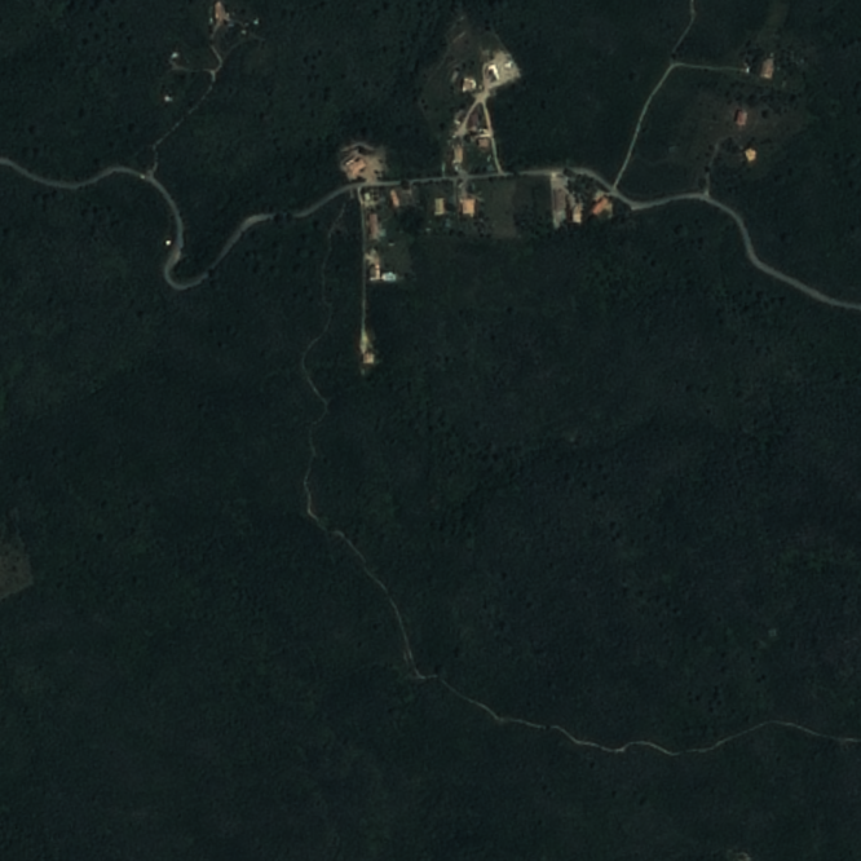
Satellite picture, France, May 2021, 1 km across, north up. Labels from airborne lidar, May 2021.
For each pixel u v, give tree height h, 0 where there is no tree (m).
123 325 7
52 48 9
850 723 6
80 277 6
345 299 6
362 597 7
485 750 5
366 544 6
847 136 5
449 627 7
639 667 6
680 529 7
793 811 6
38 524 6
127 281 6
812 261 5
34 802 7
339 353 10
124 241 6
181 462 6
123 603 13
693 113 0
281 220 17
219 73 6
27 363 7
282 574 7
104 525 7
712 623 8
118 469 7
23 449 6
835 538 6
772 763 6
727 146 7
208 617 9
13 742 8
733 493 9
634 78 15
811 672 8
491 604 9
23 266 6
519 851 7
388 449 6
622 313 6
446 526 12
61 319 6
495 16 6
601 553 8
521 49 5
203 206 7
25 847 11
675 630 6
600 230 6
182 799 6
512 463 15
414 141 6
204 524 6
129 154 6
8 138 6
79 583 7
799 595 7
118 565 6
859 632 8
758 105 9
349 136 9
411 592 7
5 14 8
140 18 7
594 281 7
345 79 12
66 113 6
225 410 6
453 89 6
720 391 6
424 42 18
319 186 6
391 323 7
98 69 7
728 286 9
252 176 10
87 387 8
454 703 5
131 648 9
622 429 8
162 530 7
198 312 6
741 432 14
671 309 10
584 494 7
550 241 8
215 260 11
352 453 6
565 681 7
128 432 6
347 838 6
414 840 7
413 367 6
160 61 5
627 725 6
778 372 7
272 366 6
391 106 6
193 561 12
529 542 6
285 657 6
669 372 6
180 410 6
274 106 10
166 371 6
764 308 15
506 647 9
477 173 7
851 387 8
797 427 9
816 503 9
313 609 8
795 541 9
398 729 7
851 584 8
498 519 5
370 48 5
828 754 6
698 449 13
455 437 13
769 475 9
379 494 6
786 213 6
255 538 7
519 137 6
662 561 7
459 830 8
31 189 6
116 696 6
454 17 11
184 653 7
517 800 6
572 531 5
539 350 6
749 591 7
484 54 0
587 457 13
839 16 6
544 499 6
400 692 6
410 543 8
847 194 5
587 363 6
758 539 8
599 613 7
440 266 0
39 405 6
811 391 9
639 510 6
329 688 6
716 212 9
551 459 15
